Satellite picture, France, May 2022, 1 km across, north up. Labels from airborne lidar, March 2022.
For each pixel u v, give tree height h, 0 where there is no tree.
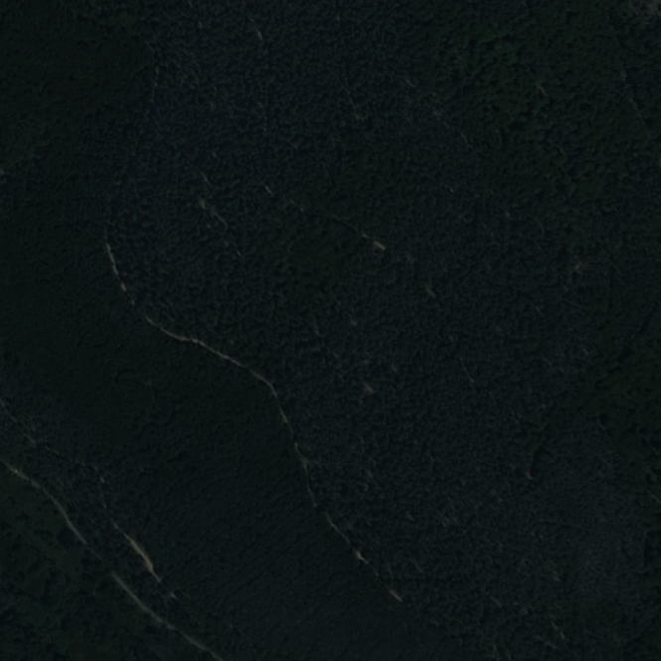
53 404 14
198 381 19
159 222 31
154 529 23
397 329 26
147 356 16
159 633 31
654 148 22
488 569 23
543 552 24
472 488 24
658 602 32
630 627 20
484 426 18
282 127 25
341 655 17
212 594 20
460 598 26
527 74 25
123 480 15
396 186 27
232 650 22
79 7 26
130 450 18
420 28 25
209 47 27
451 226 22
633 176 25
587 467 24
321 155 23
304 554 18
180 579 18
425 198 22
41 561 19
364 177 24
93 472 26
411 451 30
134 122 17
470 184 26
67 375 16
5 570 0
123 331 17
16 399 15
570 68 26
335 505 27
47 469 21
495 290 24
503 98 28
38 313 17
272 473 16
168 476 16
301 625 18
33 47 29
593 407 25
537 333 22
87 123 23
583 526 20
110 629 20
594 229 25
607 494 28
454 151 24
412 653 22
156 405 20
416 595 29
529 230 25
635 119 22
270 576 17
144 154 20
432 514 26
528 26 19
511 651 25
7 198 15
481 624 27
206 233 20
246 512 19
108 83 25
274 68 25
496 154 26
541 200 26
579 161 26
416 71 20
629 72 30
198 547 17
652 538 18
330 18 22
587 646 27
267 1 28
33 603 25
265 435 17
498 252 22
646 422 20
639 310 19
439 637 18
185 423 18
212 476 19
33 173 22
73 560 0
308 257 32
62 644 24
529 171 26
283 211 27
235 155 25
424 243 22
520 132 27
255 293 27
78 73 26
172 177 27
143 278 27
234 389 20
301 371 27
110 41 28
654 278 17
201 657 14
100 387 15
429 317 26
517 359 24
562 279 23
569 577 21
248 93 29
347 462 30
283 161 24
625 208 29
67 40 22
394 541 22
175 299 31
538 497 21
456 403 18
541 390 23
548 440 20
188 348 22
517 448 23
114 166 20
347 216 22
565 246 28
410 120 24
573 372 19
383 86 20
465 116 24
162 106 23
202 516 16
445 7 18
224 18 27
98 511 18
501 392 25
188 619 23
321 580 18
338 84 20
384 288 21
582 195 27
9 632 29
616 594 29
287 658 22
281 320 34
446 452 17
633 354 25
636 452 19
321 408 29
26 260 17
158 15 25
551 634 24
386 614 21
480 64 20
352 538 20
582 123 26
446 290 25
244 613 15
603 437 23
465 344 26
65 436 15
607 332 24
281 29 28
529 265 22
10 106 21
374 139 23
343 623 17
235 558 18
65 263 19
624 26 27
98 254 19
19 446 20
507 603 18
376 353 28
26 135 29
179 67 26
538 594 18
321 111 30
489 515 22
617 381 27
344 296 20
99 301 18
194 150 29
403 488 27
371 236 24
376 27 28
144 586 23
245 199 26
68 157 20
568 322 22
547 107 21
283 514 19
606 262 24
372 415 27
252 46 28
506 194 24
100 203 21
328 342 25
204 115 28
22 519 19
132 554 17
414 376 25
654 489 33
